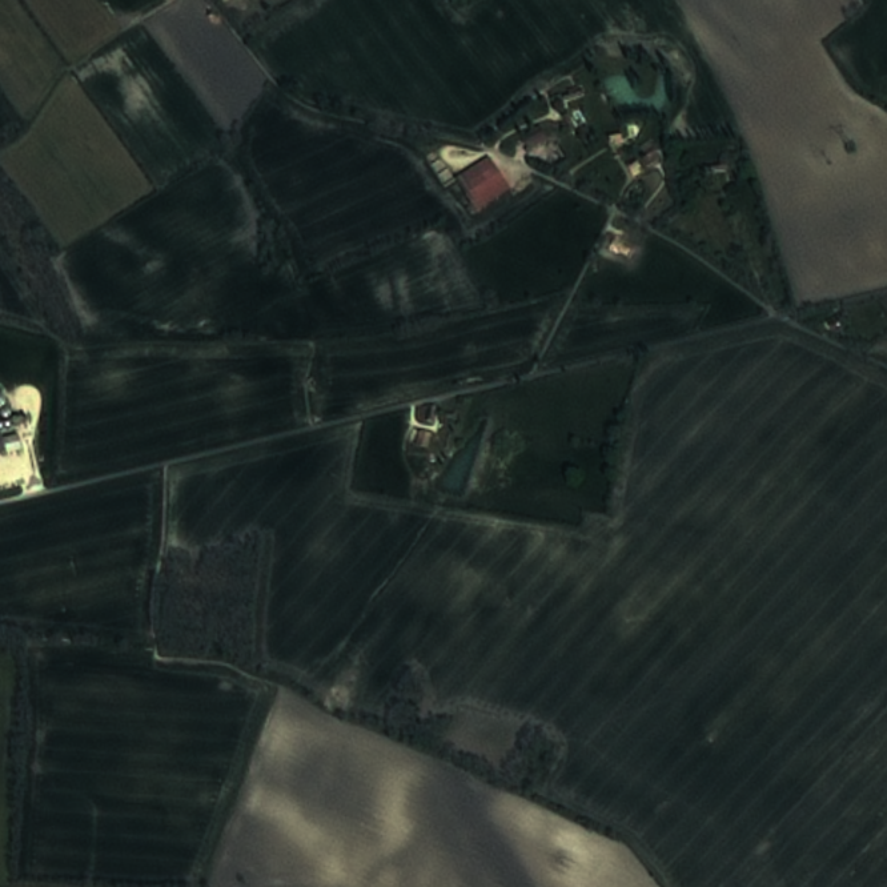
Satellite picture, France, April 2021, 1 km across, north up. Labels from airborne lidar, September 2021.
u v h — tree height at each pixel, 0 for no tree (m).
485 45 0
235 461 0
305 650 0
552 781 0
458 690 0
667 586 0
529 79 0
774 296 13
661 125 11
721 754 0
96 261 0
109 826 0
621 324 0
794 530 0
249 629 18
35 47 0
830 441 0
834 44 0
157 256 0
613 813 0
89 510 0
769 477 0
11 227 13
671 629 0
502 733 0
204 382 0
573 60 0
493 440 0
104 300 0
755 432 0
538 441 0
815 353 0
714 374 0
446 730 12
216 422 0
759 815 0
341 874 0
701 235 0
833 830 0
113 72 0
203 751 0
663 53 0
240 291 0
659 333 0
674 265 0
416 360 0
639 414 0
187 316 0
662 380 0
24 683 16
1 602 0
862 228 0
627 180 0
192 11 0
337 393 0
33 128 0
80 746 0
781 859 0
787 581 0
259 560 17
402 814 0
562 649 0
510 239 0
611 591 0
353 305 0
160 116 0
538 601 0
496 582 0
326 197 0
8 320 0
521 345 0
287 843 0
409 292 0
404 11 0
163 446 0
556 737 0
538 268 0
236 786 0
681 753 0
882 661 0
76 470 0
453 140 0
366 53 0
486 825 0
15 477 0
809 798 0
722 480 0
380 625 0
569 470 13
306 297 0
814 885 0
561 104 9
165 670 0
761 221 8
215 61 0
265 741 0
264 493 0
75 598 0
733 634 0
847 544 0
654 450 0
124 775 0
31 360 0
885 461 0
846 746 0
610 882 0
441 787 0
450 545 0
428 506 0
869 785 0
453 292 0
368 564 0
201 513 0
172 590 20
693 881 0
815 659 0
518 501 0
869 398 0
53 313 15
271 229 15
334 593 0
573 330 0
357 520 0
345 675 0
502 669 0
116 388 0
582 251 0
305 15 0
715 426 0
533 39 0
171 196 0
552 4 0
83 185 0
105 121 7
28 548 0
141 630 0
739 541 0
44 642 12
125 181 0
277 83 0
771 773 0
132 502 0
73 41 0
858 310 0
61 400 0
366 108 0
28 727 19
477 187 0
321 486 0
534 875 0
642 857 0
